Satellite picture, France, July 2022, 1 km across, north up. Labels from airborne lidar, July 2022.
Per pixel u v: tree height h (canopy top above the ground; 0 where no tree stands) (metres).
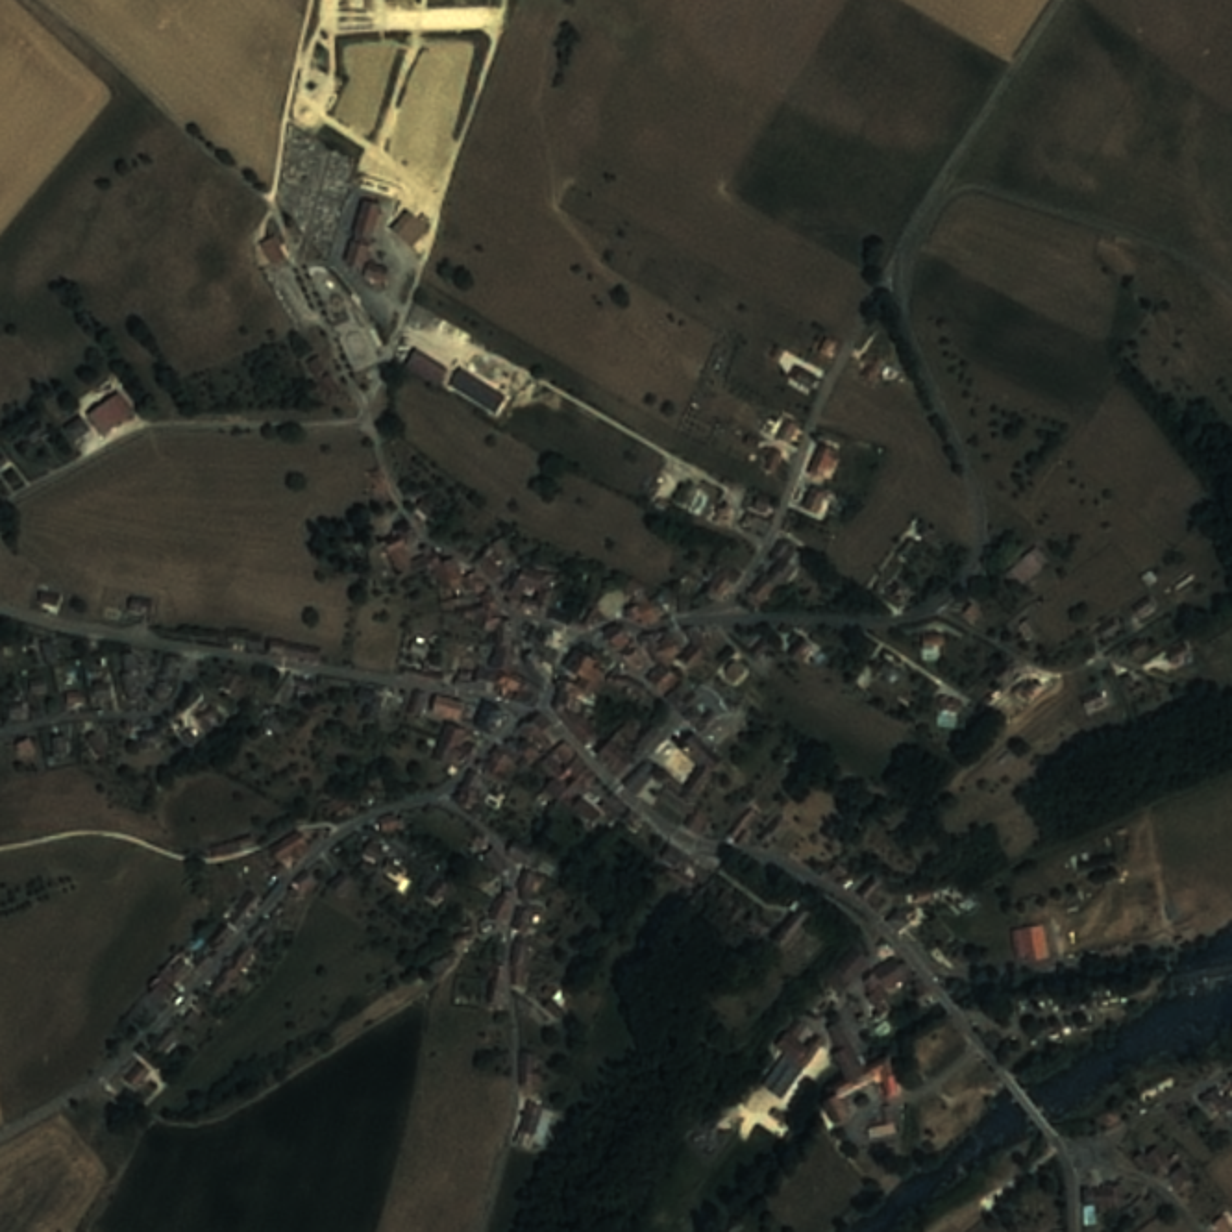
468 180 0
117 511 0
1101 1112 0
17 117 0
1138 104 0
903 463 0
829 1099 0
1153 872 0
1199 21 0
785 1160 27
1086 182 0
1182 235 0
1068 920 0
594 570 6
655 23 0
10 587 0
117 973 0
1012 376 0
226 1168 0
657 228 0
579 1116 19
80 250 0
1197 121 0
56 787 0
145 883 0
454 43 0
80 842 0
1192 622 20
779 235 0
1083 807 26
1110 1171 0
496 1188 0
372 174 0
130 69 0
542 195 0
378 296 0
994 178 0
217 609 0
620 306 8
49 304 0
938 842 15
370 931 7
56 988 0
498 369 0
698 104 0
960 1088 0
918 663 0
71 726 0
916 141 0
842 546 0
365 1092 0
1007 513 0
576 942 14
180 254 0
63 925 0
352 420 0
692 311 0
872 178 0
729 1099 19
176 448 0
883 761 0
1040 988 14
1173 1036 0
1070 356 0
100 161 0
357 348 0
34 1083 0
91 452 0
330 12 0
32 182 0
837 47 0
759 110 0
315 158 0
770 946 17
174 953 6
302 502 0
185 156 0
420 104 0
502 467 0
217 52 0
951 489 0
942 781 7
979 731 22
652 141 0
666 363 0
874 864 9
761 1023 7
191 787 0
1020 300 0
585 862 23
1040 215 0
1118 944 0
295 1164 0
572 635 0
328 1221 0
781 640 12
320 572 6
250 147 0
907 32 0
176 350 0
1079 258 0
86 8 0
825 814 0
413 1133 0
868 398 0
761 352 0
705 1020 16
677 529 15
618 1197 19
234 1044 0
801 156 0
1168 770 22
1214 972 0
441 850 7
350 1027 0
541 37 0
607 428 0
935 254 0
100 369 9
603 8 0
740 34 0
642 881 14
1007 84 0
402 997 0
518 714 0
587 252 0
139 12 0
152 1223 0
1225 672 0
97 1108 0
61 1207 0
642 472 0
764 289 0
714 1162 0
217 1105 7
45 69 0
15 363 0
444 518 8
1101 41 0
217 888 0
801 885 10
